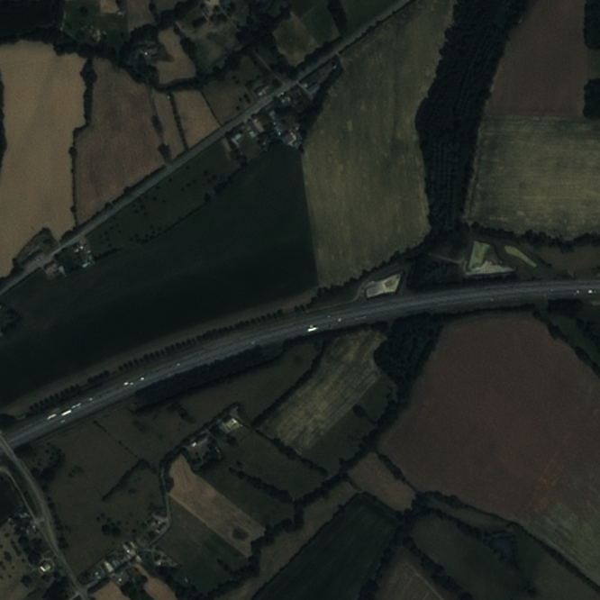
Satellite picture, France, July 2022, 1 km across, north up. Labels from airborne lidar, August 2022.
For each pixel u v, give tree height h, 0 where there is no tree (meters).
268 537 11
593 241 17
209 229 0
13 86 0
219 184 0
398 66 0
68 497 0
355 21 0
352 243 0
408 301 0
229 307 0
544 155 0
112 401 0
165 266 0
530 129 0
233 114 0
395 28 0
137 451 0
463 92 23
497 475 0
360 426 0
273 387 0
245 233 0
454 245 0
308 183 0
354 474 0
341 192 0
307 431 0
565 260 0
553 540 0
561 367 0
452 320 14
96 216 6
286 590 0
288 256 0
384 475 0
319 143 0
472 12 25
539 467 0
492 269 0
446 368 0
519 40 0
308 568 0
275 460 0
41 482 9
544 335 0
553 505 0
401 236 0
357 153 0
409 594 0
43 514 0
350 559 0
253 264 0
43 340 0
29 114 0
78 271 7
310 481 0
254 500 0
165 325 0
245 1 10
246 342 0
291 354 0
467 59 17
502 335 0
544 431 0
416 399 0
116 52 19
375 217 0
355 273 0
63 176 0
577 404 0
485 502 0
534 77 0
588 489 0
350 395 0
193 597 12
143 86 0
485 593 0
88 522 0
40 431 0
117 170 0
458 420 0
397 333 20
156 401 8
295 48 0
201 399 0
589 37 18
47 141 0
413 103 0
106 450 0
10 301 0
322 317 0
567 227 0
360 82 0
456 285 7
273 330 0
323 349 9
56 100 0
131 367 12
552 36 0
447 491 0
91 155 0
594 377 0
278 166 0
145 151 0
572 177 0
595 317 0
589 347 0
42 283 0
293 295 0
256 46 17
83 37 21
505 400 0
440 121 26
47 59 0
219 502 0
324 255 0
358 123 0
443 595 0
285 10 16
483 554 0
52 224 0
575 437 0
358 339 0
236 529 0
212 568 0
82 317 0
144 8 0
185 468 0
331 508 0
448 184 31
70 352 0
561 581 0
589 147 0
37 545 9
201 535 0
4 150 10
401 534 16
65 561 0
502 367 0
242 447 0
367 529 0
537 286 0
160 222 0
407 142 0
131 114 0
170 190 0
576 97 0
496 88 0
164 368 0
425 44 0
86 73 14
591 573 0
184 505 0
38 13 11
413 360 11
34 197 0
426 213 0
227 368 10
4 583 0
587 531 0
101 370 0
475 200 0
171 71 0
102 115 0
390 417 19
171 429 0
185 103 0
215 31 0
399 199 0
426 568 14
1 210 0
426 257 18
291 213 0
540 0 0
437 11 0
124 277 0
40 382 0
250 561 11
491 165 0
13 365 0
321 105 14
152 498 0
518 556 9
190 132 0
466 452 0
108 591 0
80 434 0
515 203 0
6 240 0
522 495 0
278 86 11
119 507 0
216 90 0
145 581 9
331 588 0
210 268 0
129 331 0
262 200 0
